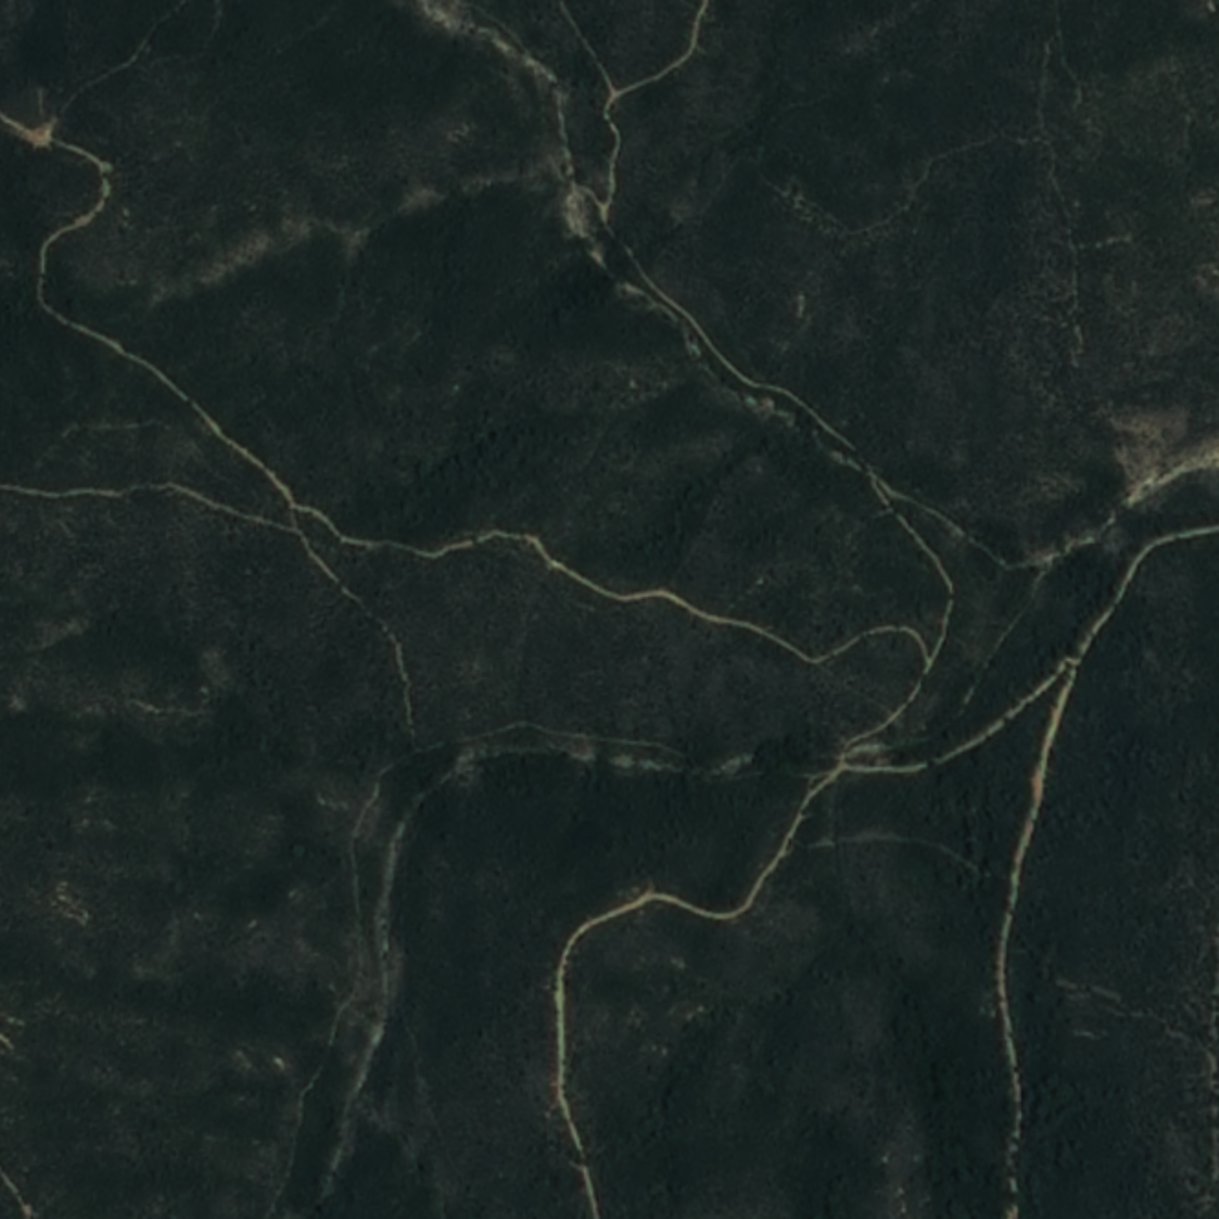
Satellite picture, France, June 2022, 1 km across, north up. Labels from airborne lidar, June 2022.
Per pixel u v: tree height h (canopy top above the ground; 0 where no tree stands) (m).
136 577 7
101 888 6
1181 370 5
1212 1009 6
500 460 10
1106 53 9
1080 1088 10
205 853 8
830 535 7
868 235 6
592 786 10
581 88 9
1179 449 0
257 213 6
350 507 10
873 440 9
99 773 11
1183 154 8
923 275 9
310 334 7
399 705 6
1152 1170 7
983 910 10
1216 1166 8
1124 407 6
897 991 7
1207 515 7
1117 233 6
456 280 8
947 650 7
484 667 0
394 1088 8
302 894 0
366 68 6
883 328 8
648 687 6
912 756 8
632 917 0
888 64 6
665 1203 12
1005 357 6
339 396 5
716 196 0
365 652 5
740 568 6
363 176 6
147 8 6
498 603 7
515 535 7
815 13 6
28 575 7
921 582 0
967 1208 6
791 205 6
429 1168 10
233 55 7
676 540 12
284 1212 8
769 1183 7
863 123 6
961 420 5
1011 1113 11
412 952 7
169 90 6
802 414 8
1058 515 6
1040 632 8
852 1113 8
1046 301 6
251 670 6
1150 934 6
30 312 8
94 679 6
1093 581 14
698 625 7
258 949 0
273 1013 10
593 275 9
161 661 8
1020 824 6
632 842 9
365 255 7
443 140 0
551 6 6
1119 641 9
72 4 6
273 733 6
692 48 0
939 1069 11
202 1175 8
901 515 9
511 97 6
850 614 8
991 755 9
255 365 7
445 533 6
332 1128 11
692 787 12
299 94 6
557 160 0
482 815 6
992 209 6
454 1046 6
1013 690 7
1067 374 7
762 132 7
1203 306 8
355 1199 7
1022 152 7
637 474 0
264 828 5
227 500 6
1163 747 8
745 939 0
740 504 7
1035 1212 7
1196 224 9
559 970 6
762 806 8
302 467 6
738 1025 7
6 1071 0
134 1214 8
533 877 7
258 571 8
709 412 7
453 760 8
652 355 7
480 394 6
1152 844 7
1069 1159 9
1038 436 7
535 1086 0
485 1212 7
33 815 8
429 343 7
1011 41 7
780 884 5
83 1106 6
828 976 7
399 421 7
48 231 7
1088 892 7
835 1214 14
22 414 6
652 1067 8
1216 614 8
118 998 8
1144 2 6
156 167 5
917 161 6
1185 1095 8
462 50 8
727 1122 7
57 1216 6
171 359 7
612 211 0
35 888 7
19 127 0
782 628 6
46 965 9
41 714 7
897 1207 0
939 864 10
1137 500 0
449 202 6
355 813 0
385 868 0
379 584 7
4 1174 5
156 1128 8
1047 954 9
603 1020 0
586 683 6
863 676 7
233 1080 8
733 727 7
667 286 0
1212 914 6
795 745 14
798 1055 7
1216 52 8
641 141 0
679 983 9
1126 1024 7
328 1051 9
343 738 8
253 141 10
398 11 8
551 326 6
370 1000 0
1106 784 9
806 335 0
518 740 7
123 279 7
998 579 7
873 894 0
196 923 0
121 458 6
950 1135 6
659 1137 12
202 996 6
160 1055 7
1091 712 8
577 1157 9
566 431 9
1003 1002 8
